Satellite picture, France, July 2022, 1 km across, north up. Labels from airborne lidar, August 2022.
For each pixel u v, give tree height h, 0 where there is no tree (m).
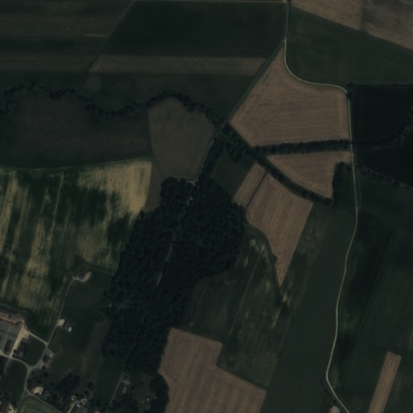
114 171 0
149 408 0
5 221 0
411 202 0
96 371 0
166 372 0
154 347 17
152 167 0
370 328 0
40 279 0
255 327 0
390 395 0
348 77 0
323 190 0
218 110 0
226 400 0
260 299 0
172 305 14
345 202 0
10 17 0
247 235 0
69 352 0
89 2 0
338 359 0
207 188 21
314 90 0
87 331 0
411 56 0
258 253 0
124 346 24
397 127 0
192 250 22
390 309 0
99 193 0
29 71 0
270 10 0
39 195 0
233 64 0
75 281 0
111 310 18
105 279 0
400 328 0
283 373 0
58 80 0
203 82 0
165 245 22
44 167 0
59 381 0
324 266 0
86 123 0
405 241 0
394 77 0
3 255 0
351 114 0
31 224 0
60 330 0
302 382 0
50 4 0
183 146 0
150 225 14
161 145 0
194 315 0
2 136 0
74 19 0
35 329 0
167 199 8
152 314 15
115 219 0
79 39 0
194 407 0
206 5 0
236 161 16
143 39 0
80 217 0
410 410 0
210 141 0
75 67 0
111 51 0
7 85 0
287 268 0
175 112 0
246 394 0
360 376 0
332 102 0
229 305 0
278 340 0
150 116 0
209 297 0
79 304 0
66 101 0
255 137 0
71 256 0
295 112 0
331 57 0
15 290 0
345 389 0
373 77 0
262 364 0
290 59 0
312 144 14
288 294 0
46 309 0
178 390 0
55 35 0
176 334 0
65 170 0
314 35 0
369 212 0
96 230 0
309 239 0
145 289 20
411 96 0
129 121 0
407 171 0
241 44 0
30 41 0
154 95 0
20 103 0
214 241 13
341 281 0
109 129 0
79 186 0
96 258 0
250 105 0
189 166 0
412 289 0
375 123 0
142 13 0
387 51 0
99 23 0
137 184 0
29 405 0
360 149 14
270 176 0
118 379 0
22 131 0
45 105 0
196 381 0
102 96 0
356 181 0
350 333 0
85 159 0
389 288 0
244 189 0
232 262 20
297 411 0
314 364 0
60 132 0
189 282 20
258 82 0
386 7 0
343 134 0
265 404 0
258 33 0
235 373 0
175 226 21
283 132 0
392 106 0
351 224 0
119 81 0
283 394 0
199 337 0
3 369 15
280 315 0
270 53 0
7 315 0
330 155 0
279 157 0
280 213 0
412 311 0
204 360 0
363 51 0
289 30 0
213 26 0
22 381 0
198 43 0
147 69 0
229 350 0
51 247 0
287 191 0
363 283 0
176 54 0
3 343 0
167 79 0
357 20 0
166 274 9
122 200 0
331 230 0
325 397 0
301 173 0
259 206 0
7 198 0
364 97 0
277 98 0
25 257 0
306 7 0
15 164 0
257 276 0
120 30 0
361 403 0
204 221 26
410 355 0
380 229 0
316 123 0
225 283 0
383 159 0
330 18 0
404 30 0
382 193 0
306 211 0
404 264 0
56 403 8
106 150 0
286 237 0
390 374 0
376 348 0
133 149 0
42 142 0
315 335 0
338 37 0
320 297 0
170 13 0
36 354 0
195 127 0
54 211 0
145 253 9
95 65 0
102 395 0
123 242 0
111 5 0
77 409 0
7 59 0
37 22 0
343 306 0
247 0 0
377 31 0
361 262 0
